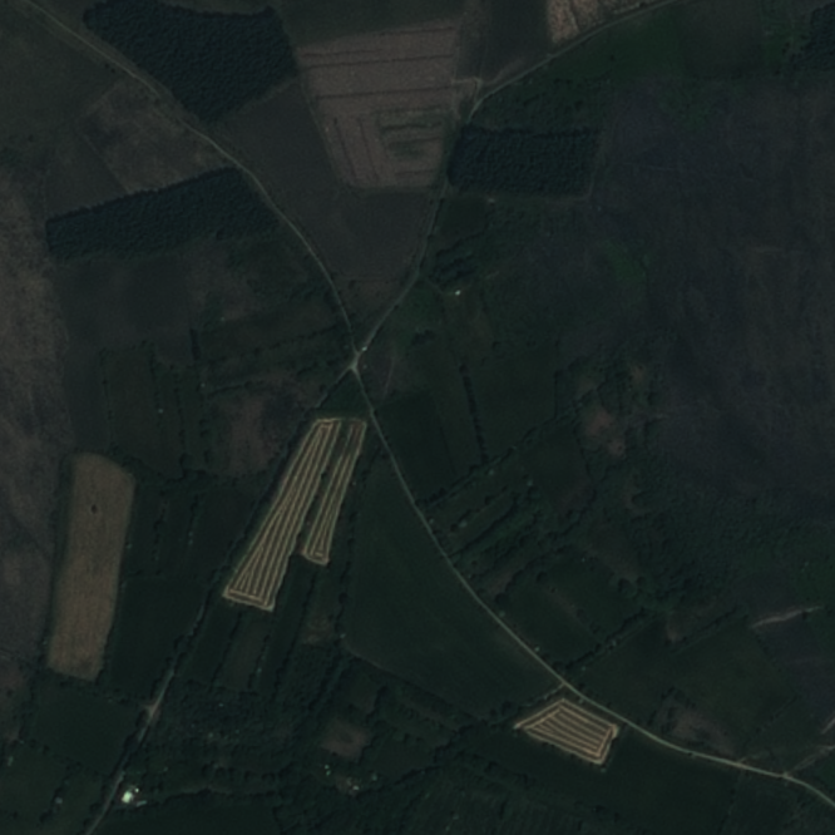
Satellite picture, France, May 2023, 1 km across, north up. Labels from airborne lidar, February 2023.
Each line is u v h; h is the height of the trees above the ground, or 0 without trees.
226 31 28
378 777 7
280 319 0
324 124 0
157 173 0
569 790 0
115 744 0
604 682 0
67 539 0
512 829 0
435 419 0
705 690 0
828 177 0
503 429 0
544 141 22
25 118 0
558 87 10
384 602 0
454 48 0
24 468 0
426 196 0
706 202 0
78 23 0
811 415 0
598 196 0
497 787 7
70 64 0
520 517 18
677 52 0
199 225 19
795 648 0
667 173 0
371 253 0
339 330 7
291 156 0
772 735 0
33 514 0
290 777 18
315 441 0
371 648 0
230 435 0
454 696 0
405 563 0
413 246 0
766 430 0
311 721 17
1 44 0
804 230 0
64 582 0
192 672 0
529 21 0
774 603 0
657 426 5
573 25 0
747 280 0
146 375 0
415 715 10
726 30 0
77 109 0
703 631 7
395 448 7
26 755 0
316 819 7
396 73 0
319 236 0
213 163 0
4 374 0
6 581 0
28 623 0
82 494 0
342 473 0
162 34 30
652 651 0
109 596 0
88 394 0
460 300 0
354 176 0
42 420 0
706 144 0
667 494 7
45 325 0
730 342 0
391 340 0
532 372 0
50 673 8
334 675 16
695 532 7
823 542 0
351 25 0
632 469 6
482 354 0
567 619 0
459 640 0
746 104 0
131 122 0
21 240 0
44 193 0
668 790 0
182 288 0
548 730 0
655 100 0
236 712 6
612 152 0
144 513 0
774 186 0
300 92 0
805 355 0
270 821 0
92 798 0
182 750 10
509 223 8
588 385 0
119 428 0
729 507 6
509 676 0
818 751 0
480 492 0
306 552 0
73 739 0
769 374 0
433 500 11
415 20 0
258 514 11
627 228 0
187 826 0
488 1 0
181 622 0
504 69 0
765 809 0
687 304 0
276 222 18
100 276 0
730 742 0
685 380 0
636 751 0
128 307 0
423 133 0
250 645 0
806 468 0
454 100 0
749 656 0
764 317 0
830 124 0
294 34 0
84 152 0
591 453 8
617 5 0
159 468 0
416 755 0
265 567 0
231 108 20
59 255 16
